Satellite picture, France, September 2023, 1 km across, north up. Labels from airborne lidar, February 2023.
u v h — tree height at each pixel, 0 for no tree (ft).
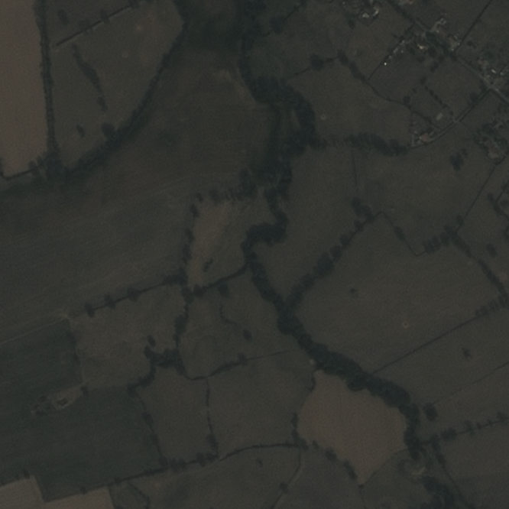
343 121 0
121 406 0
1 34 0
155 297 0
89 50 0
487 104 0
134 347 0
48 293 0
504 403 0
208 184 0
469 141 0
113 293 0
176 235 0
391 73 0
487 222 0
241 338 0
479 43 0
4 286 0
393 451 0
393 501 0
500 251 0
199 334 0
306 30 0
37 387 0
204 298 0
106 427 0
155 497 0
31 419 0
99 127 0
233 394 0
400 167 0
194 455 0
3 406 0
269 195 52
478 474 0
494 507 0
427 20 0
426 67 0
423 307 0
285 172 69
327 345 0
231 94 0
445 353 0
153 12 0
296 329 60
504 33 0
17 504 0
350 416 0
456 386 0
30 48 0
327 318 0
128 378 0
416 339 0
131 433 0
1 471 0
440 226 0
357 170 0
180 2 67
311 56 0
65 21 52
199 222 0
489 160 0
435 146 0
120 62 0
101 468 0
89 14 0
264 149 0
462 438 0
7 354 0
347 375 51
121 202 0
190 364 0
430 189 0
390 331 0
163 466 47
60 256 0
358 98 0
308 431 0
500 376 0
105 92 0
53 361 0
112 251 0
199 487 0
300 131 0
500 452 0
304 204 0
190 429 0
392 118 0
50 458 0
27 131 0
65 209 0
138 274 0
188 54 0
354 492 0
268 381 0
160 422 0
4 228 0
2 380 0
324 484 0
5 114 0
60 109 0
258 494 0
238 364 17
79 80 0
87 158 0
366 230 0
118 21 0
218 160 0
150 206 0
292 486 0
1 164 51
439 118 0
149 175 0
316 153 0
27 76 0
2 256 0
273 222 0
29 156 0
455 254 0
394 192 0
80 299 0
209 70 0
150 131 0
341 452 0
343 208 0
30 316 0
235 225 0
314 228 0
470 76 0
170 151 0
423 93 0
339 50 0
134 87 0
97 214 0
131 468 0
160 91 0
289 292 0
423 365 0
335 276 0
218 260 0
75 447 0
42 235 0
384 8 0
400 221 0
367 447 0
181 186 0
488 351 0
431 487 62
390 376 0
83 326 0
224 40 0
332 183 0
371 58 0
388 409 0
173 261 0
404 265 0
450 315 0
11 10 0
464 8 0
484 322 0
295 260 0
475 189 0
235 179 0
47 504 0
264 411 0
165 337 0
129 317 0
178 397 0
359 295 0
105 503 0
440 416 0
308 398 0
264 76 0
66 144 0
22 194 0
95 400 0
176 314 0
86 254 0
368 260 0
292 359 0
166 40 0
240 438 0
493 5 0
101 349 0
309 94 0
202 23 0
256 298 0
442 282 0
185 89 0
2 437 0
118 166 0
